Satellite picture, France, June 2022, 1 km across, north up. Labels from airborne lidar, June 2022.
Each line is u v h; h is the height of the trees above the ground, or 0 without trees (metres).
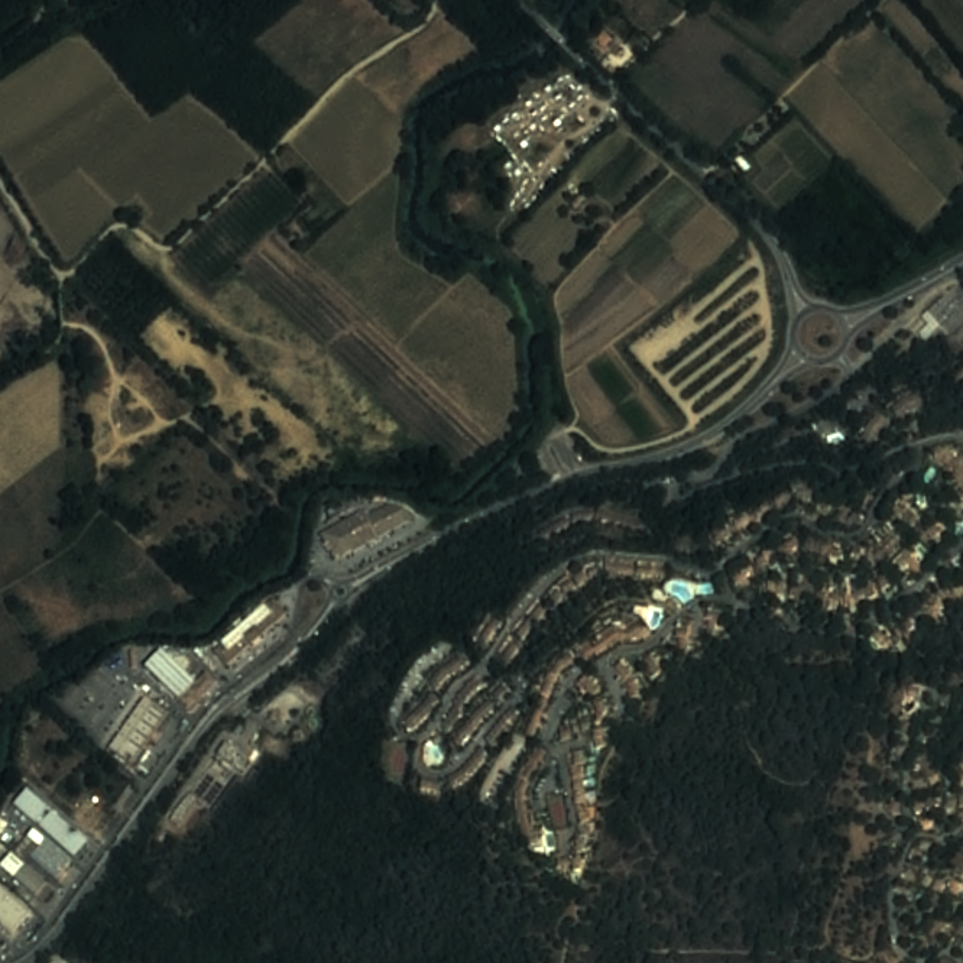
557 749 0
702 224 0
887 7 0
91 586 9
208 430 11
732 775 12
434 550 8
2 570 0
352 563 0
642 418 0
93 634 15
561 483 8
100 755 11
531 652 16
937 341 9
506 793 8
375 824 7
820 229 15
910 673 17
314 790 8
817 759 9
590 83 11
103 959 13
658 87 0
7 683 0
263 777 8
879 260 14
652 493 12
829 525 11
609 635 0
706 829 7
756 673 13
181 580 18
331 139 0
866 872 10
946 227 11
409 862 16
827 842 10
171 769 0
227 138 0
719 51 0
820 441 8
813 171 0
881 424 0
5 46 7
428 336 0
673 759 8
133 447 6
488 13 8
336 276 0
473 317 0
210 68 13
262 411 9
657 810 8
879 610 13
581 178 0
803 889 10
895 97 0
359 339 0
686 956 7
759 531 11
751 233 0
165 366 8
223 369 0
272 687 10
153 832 7
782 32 0
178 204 0
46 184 0
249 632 0
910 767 10
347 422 0
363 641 7
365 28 0
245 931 11
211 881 6
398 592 9
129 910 9
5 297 0
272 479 7
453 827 7
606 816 8
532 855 10
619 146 0
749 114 0
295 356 0
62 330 6
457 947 9
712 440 0
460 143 0
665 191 0
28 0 19
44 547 0
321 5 0
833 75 0
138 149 0
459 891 8
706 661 13
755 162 0
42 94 0
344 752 14
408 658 7
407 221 9
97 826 0
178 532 11
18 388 0
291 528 6
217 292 0
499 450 11
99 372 12
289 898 9
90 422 14
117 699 0
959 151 0
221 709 0
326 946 8
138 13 10
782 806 7
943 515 14
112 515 11
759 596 7
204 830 7
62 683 11
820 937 12
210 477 0
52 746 14
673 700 12
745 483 11
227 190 8
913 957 7
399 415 0
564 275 0
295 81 12
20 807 0
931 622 15
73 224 0
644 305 0
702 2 15
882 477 19
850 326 0
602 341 0
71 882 0
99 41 13
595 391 0
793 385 11
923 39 0
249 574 18
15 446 0
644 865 7
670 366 6
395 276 0
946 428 10
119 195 0
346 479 8
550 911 11
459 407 0
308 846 9
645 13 0
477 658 8
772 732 9
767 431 11
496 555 7
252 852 7
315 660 10
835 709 12
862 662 12
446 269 15
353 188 0
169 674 0
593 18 7
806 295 0
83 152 0
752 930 11
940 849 12
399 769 0
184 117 0
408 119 6
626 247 0
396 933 9
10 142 0
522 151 0
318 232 8
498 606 7
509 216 0
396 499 5
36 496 0
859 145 0
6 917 0
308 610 0
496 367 0
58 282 8
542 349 16
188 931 7
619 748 12
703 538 11
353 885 6
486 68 9
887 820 14
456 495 6
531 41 8
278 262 0
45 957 11
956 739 13
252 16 18
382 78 0
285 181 7
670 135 18
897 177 0
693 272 0
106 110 0
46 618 0
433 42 0
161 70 12
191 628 8
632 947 10
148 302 8
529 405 8
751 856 10
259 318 0
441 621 8
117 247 9
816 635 15
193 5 15
